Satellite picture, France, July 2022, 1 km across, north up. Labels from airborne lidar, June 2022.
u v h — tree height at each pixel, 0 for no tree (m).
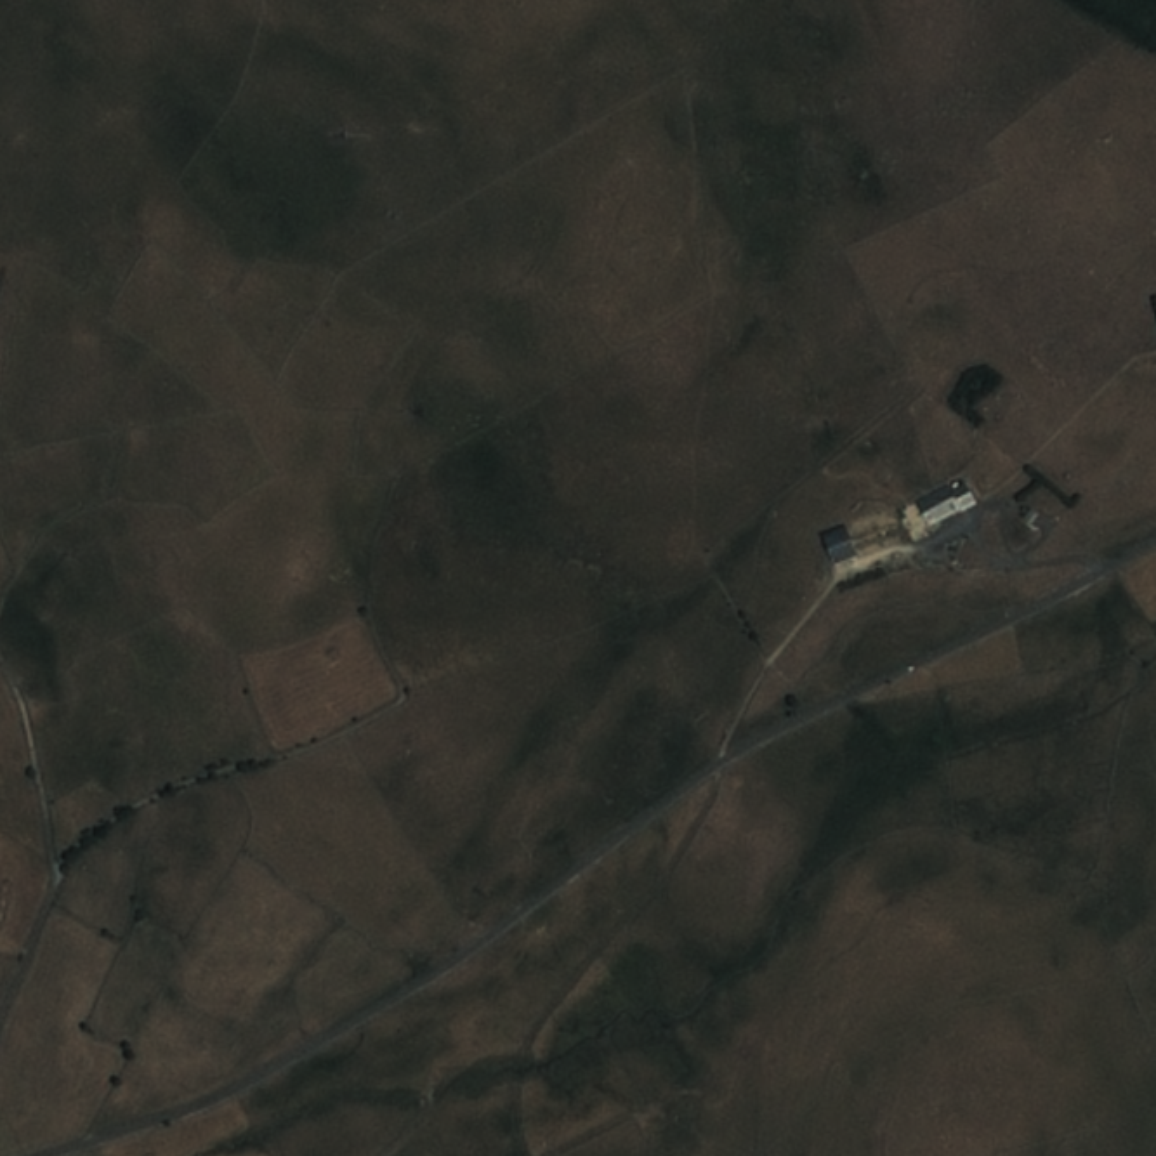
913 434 0
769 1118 0
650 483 0
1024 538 0
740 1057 0
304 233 0
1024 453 0
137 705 0
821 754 0
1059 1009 0
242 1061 0
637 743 0
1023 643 0
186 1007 0
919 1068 0
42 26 0
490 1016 0
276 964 0
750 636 6
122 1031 0
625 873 0
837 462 0
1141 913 0
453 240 0
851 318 0
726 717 0
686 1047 0
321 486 0
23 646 0
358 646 0
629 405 0
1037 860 0
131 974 0
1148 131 0
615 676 0
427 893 0
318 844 0
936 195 0
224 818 0
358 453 0
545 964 0
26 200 0
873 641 0
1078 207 0
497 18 0
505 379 0
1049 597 0
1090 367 0
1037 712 0
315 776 0
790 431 0
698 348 0
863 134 0
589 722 0
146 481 0
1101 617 0
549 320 0
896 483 0
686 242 0
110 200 0
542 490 0
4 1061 0
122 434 0
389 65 0
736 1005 0
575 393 0
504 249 0
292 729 0
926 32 0
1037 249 0
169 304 0
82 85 0
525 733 0
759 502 0
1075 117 0
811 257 0
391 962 0
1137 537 0
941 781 0
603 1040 0
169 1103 0
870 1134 0
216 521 0
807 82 0
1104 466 0
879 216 0
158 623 0
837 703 0
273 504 0
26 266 0
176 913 0
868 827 0
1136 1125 0
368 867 0
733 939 0
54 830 0
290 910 0
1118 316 0
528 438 0
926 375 0
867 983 0
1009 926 0
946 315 0
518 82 0
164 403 0
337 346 0
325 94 0
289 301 0
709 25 0
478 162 0
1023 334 0
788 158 0
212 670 0
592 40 0
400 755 0
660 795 0
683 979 0
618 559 0
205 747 0
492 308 0
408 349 0
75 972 0
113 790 0
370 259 0
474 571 0
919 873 0
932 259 0
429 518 0
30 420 0
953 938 0
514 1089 0
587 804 0
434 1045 0
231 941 0
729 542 0
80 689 0
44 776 0
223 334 0
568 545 0
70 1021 0
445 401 0
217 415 0
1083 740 0
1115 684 0
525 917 0
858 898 0
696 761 0
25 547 0
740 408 0
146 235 0
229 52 0
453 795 0
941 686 0
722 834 0
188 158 0
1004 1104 0
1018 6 0
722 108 0
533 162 0
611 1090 0
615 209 0
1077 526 0
